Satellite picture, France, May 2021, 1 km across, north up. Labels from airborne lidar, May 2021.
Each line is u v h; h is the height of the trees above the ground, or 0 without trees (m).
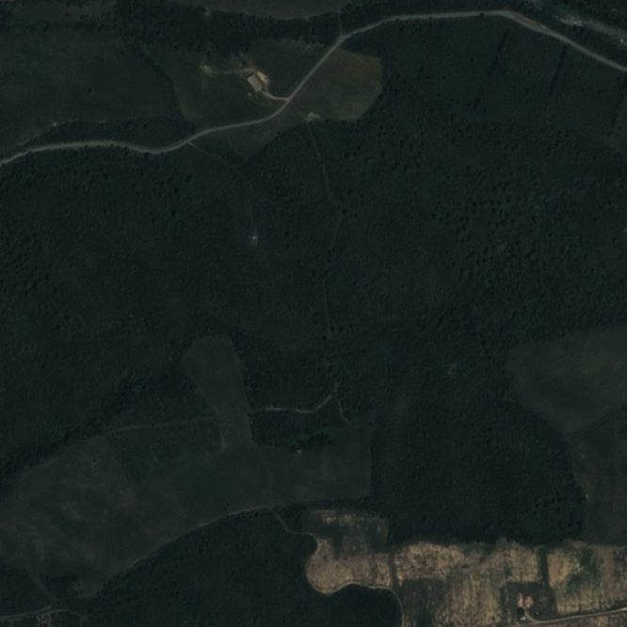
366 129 7
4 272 11
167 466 0
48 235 7
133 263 7
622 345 0
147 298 7
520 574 0
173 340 7
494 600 0
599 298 6
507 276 13
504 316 12
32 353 7
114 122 9
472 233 8
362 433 0
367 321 7
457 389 6
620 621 0
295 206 7
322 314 7
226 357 0
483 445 8
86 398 6
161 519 0
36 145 5
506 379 6
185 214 6
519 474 6
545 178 7
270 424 7
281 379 8
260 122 0
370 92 0
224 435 0
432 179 6
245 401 0
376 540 0
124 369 8
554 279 9
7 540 0
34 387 6
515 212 6
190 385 10
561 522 13
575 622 0
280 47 0
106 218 6
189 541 8
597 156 11
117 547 0
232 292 8
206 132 0
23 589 5
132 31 8
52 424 6
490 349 13
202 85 0
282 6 0
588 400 0
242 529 6
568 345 0
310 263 6
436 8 6
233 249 9
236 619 8
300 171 8
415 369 9
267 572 6
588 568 0
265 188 8
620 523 0
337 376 10
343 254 6
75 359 8
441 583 0
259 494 0
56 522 0
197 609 7
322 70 0
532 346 0
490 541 7
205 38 8
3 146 0
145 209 5
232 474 0
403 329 10
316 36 9
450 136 10
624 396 0
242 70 0
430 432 5
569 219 10
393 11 7
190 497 0
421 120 10
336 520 0
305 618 5
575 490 7
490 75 14
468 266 6
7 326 7
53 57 0
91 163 6
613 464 0
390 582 0
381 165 7
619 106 9
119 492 0
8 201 6
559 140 10
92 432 7
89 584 0
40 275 7
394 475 6
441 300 7
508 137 7
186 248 5
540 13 7
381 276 7
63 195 7
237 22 5
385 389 6
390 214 6
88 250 5
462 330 13
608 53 10
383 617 6
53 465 0
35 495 0
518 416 6
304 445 8
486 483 8
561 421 0
